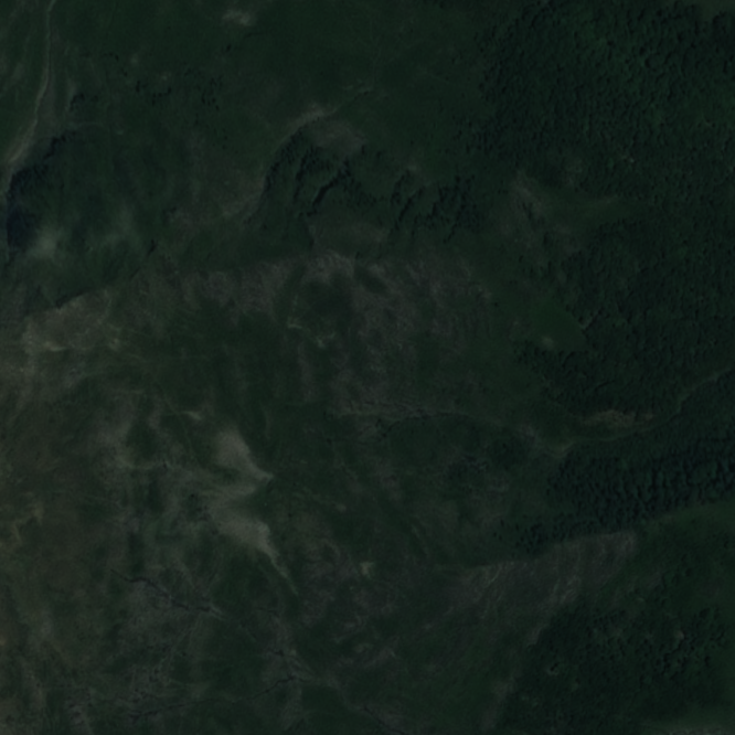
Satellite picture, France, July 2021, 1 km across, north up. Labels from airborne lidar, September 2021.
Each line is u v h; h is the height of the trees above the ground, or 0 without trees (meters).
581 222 0
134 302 0
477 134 10
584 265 14
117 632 0
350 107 0
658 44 22
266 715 0
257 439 0
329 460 0
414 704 0
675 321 10
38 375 0
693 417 6
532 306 0
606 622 14
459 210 7
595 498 10
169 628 0
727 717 0
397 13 0
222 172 0
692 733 0
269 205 0
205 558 0
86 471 0
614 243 16
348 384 0
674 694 10
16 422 0
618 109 17
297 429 0
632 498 18
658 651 7
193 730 0
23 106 0
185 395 0
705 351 15
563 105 18
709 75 28
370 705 0
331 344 0
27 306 0
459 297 0
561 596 7
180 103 0
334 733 0
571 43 20
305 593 0
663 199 13
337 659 0
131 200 0
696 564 6
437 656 0
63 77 0
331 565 0
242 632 0
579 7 23
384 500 0
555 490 11
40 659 0
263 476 0
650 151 13
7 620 0
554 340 0
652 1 16
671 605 5
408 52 0
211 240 0
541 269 14
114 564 0
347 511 0
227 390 0
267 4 0
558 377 15
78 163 0
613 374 28
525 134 11
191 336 0
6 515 0
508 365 0
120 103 0
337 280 0
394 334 0
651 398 15
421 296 0
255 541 0
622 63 26
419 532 0
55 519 0
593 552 6
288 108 0
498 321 0
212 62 0
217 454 0
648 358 22
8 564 0
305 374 0
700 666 17
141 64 0
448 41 0
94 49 0
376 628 0
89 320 0
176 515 0
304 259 0
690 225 7
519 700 10
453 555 0
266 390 0
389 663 0
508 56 13
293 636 0
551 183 13
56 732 0
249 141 0
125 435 0
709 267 27
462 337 0
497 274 0
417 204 10
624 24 23
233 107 0
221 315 0
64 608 0
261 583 0
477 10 6
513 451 15
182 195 0
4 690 0
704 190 14
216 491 0
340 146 0
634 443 7
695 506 8
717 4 0
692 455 12
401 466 0
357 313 0
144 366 0
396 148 0
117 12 0
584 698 11
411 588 0
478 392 0
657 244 24
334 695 0
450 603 0
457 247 0
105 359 0
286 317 0
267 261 0
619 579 6
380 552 0
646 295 15
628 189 10
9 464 0
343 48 0
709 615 20
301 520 0
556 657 16
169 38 0
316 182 8
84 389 0
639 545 9
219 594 0
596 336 19
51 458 0
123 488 0
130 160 0
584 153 7
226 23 0
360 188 14
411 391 0
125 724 0
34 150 0
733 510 0
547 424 5
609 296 20
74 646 0
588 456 6
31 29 0
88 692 0
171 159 0
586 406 17
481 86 11
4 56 0
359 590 0
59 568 0
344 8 0
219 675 0
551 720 11
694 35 28
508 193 7
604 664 8
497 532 10
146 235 0
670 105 16
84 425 0
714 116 17
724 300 23
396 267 0
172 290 0
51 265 0
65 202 0
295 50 0
